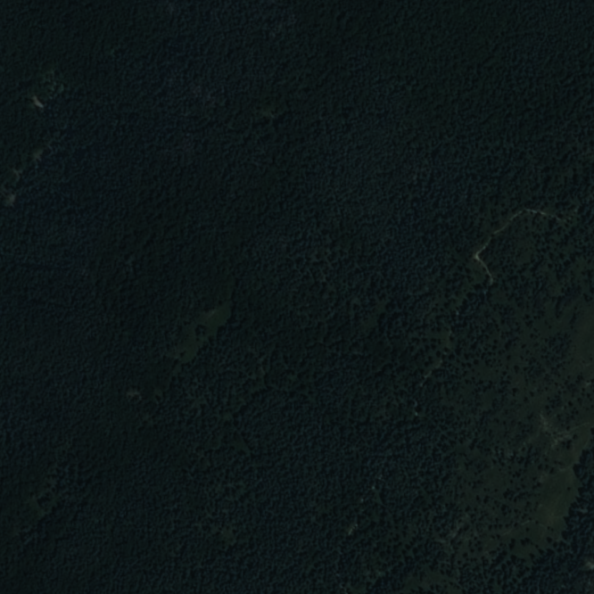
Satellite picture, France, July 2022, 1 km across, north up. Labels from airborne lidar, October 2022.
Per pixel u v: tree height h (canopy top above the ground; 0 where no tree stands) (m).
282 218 15
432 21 20
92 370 18
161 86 18
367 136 13
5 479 20
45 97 9
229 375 13
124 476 22
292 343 10
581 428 0
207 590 14
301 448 18
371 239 15
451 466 8
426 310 7
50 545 23
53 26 23
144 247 20
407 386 10
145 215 19
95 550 18
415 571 8
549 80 7
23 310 25
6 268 23
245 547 11
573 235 16
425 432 12
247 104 20
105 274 21
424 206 23
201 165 22
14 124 16
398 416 11
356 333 7
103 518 14
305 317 7
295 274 17
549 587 10
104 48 19
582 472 16
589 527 15
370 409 8
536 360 6
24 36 19
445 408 10
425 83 6
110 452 18
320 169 19
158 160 18
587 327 0
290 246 14
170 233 18
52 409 20
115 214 24
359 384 16
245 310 18
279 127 23
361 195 21
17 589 14
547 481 0
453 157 20
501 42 14
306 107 21
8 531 16
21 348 15
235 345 14
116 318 22
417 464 15
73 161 18
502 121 10
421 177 26
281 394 17
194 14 22
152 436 16
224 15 27
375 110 15
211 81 19
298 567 18
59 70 13
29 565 18
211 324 0
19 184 6
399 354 12
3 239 20
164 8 19
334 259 18
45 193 15
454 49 20
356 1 16
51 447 17
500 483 0
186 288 14
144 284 18
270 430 7
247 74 20
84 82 18
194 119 19
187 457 9
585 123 12
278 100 15
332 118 26
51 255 16
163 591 11
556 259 10
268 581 10
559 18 16
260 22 21
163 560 11
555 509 0
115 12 20
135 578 17
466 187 14
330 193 12
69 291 24
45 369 20
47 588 17
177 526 8
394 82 16
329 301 10
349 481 8
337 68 23
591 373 0
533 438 0
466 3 13
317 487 6
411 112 14
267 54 21
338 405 15
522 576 13
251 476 19
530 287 6
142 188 19
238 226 18
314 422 18
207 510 11
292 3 15
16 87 17
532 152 15
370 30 19
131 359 16
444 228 19
